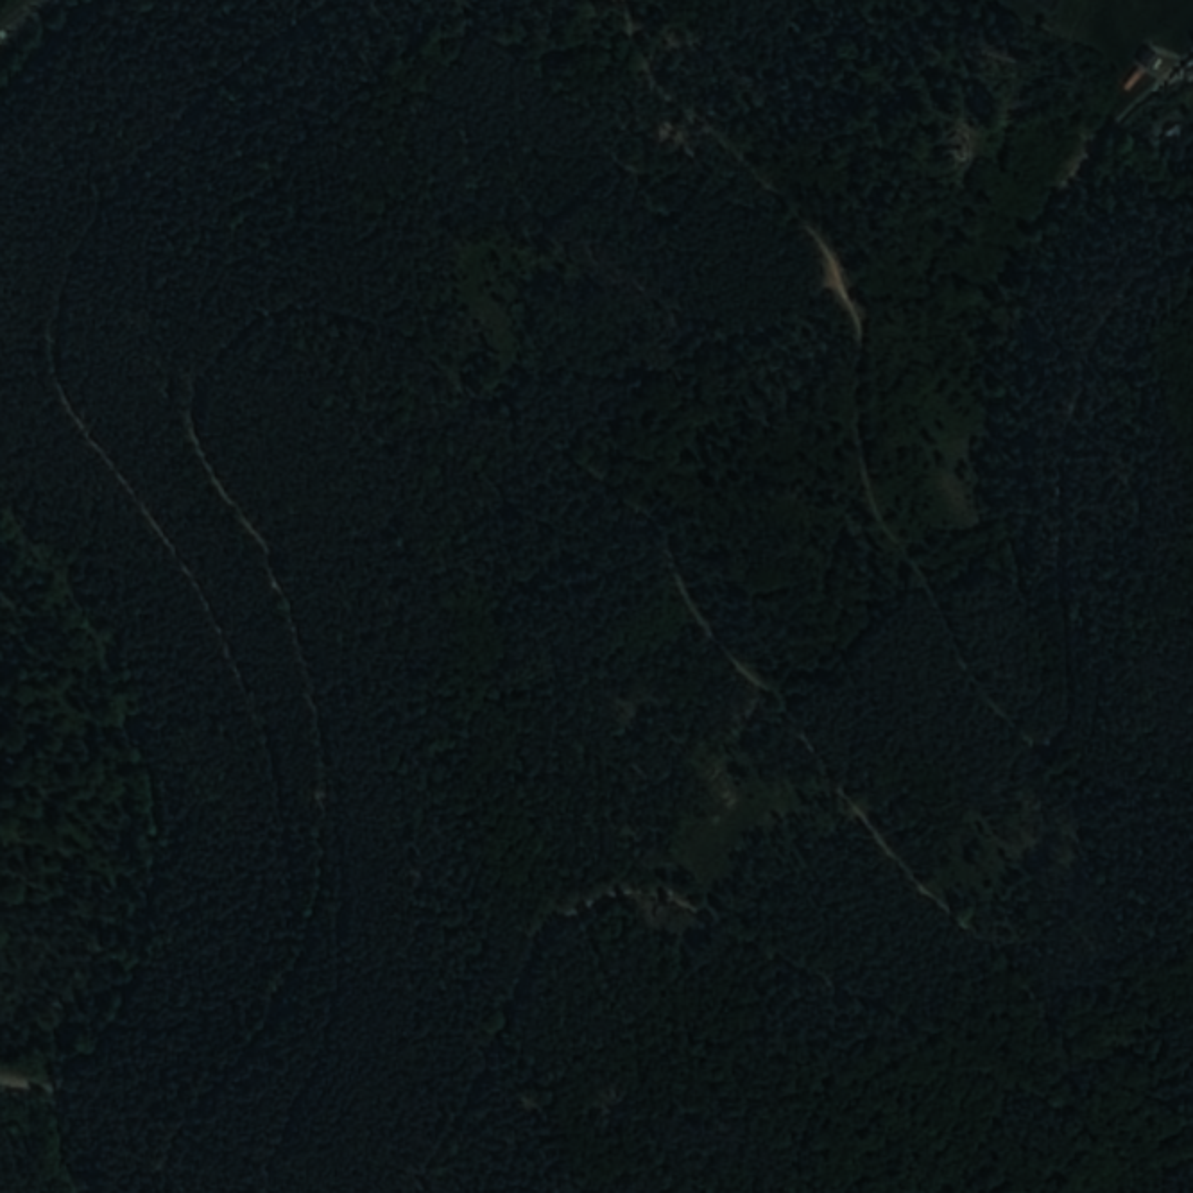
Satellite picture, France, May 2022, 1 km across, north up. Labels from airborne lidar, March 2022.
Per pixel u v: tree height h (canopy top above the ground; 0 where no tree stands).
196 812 25
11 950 29
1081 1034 34
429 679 28
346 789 22
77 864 11
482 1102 27
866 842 21
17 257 26
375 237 25
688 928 0
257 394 25
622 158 27
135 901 29
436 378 27
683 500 9
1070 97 7
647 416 34
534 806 22
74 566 32
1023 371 34
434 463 24
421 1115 26
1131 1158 25
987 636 27
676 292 19
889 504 0
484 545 29
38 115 22
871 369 15
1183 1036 27
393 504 24
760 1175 25
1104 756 17
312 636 22
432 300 19
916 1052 26
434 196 18
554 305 30
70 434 24
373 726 29
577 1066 19
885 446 12
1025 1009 21
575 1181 21
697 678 20
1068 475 24
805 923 27
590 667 30
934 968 27
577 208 30
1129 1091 25
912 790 23
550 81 22
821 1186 25
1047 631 20
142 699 29
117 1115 27
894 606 27
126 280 25
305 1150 24
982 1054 28
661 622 16
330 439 24
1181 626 22
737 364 29
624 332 29
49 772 36
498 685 15
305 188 25
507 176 19
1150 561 25
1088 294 29
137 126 28
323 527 23
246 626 26
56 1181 24
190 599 24
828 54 38
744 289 21
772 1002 32
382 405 24
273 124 26
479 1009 29
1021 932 25
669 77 19
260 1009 26
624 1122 23
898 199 31
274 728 23
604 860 20
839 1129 26
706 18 24
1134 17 0
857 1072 23
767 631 27
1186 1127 21
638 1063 22
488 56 24
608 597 28
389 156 23
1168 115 0
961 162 12
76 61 32
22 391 23
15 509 32
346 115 27
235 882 27
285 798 26
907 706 28
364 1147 28
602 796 22
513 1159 29
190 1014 29
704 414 33
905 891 22
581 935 20
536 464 29
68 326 22
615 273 29
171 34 28
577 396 29
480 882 22
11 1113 23
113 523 26
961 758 28
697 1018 22
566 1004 23
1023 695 27
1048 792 27
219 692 26
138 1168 25
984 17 28
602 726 22
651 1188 22
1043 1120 27
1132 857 26
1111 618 26
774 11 21
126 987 30
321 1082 23
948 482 0
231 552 23
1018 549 10
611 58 29
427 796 26
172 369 24
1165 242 32
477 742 23
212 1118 25
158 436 21
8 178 31
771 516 16
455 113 24
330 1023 24
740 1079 24
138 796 25
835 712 29
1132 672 24
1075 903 23
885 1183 27
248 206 27
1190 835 20
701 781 22
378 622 22
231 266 26
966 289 32
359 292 27
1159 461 25
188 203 25
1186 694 25
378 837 19
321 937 23
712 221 20
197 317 27
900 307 9
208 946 31
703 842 0
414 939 27
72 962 28
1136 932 26
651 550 36
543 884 21
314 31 15
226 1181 23
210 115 26
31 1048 24
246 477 19
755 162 20
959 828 22
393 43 28
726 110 26
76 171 27
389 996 25
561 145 23
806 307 22
